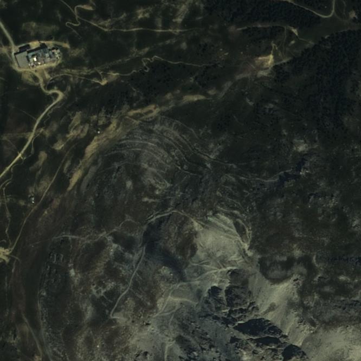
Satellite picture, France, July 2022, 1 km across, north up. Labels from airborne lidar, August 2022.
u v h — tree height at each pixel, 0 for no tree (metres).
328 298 0
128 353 0
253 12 14
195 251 0
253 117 0
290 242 0
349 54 16
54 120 0
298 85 0
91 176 0
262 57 0
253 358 0
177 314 0
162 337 0
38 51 0
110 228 0
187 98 0
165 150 0
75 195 0
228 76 0
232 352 0
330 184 0
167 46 0
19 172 0
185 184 0
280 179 0
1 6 0
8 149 0
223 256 0
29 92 0
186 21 0
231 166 0
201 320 0
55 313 0
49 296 0
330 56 8
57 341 0
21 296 0
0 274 0
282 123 0
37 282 0
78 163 0
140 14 0
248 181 0
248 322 0
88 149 0
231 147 0
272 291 0
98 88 0
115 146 0
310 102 10
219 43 0
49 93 0
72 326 0
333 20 0
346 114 8
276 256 0
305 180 0
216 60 0
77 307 0
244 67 0
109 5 0
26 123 0
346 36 21
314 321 0
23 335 0
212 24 0
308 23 13
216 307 0
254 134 0
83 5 0
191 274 0
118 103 0
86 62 0
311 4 17
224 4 10
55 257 0
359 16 12
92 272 0
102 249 0
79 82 0
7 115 0
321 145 0
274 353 0
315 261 0
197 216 0
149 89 9
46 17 0
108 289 0
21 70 0
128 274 0
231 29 0
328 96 14
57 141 0
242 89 0
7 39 0
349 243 0
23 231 0
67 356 0
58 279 0
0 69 0
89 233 0
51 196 0
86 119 0
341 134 0
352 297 0
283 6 14
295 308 0
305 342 0
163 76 0
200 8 0
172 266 0
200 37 0
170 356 0
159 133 0
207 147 0
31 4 0
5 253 0
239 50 0
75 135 0
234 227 0
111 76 0
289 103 8
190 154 0
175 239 0
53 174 0
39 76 0
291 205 0
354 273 0
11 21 0
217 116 0
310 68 10
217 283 0
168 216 0
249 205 0
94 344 0
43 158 0
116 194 0
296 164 0
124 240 0
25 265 0
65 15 0
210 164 0
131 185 0
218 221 0
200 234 0
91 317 0
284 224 0
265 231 0
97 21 0
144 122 0
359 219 0
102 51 0
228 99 0
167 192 0
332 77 9
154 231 0
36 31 0
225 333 0
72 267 0
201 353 0
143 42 0
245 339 0
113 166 0
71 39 0
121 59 0
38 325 0
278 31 10
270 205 0
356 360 0
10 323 0
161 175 0
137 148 0
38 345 0
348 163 0
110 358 0
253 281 0
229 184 0
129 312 0
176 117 0
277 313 0
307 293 0
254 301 0
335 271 0
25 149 0
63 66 0
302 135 0
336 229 0
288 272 0
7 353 0
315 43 0
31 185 0
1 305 0
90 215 0
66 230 0
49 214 0
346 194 0
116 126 0
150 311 0
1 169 0
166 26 0
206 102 0
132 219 0
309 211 0
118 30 0
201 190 0
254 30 9
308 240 0
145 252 0
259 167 0
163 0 0
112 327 0
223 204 0
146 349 0
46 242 0
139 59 0
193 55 0
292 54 0
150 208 0
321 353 0
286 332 0
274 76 0
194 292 0
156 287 0
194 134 0
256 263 0
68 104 0
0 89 0
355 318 0
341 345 0
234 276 0
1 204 0
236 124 0
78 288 0
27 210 0
